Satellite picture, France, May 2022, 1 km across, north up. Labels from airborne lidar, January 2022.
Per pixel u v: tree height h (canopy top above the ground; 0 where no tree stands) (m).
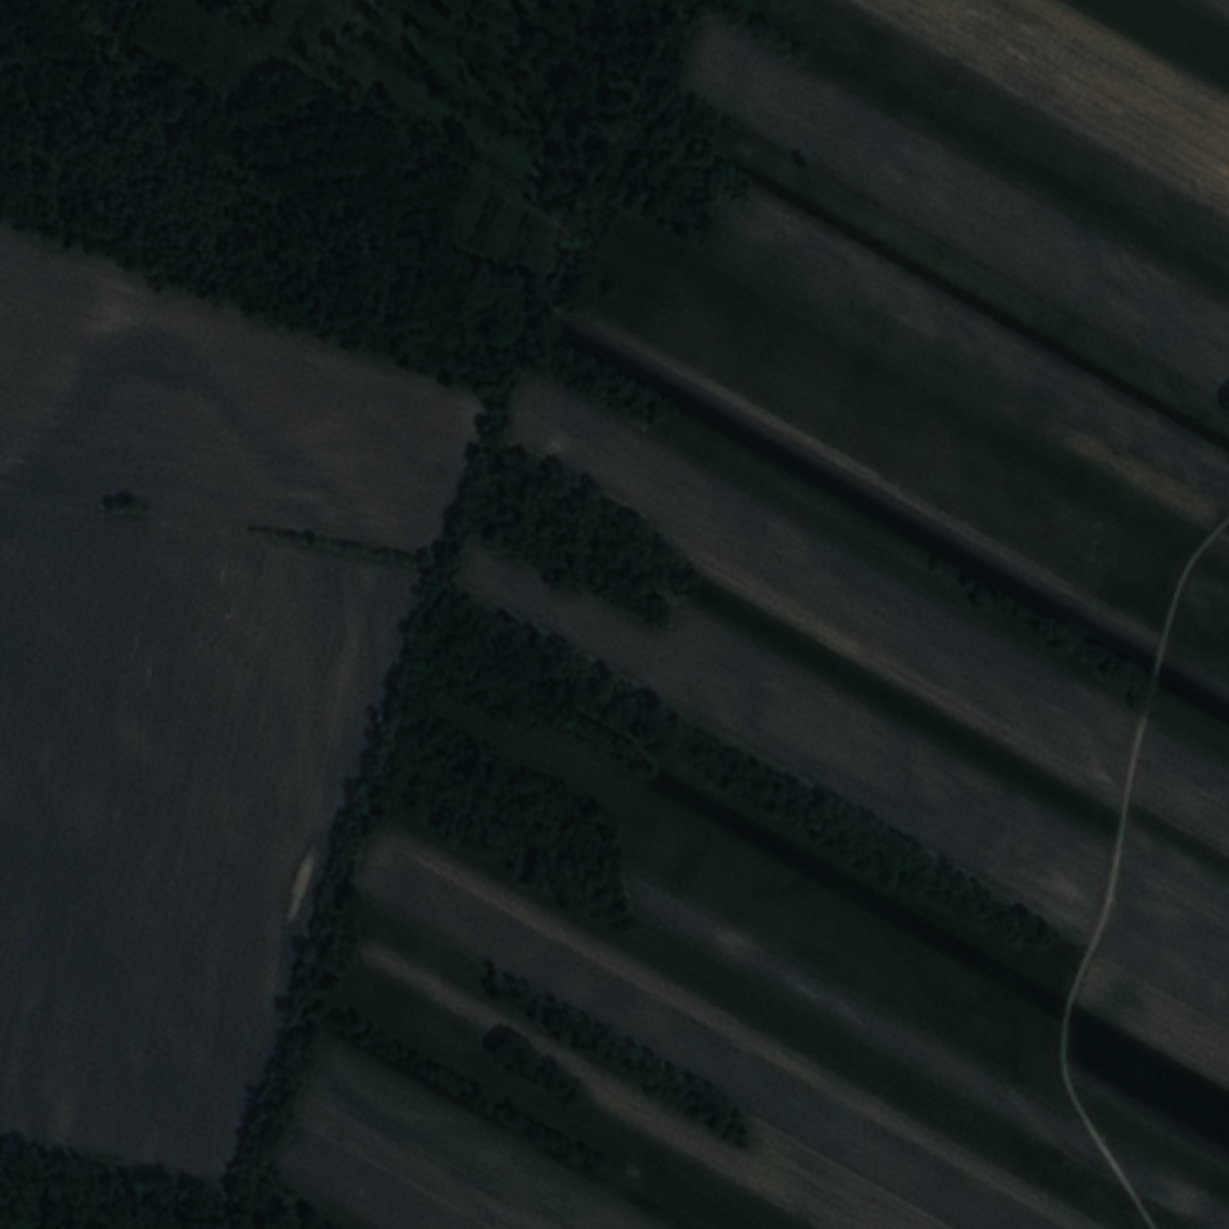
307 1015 9
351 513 0
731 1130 11
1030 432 0
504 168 0
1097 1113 0
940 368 0
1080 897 0
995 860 0
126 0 15
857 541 0
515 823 7
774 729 0
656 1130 0
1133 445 0
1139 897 0
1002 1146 0
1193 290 0
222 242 25
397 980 0
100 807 0
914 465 0
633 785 0
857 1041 0
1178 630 0
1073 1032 0
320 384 0
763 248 0
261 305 10
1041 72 0
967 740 0
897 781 0
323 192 21
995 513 0
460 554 15
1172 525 0
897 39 0
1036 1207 0
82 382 0
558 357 16
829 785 0
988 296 0
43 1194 26
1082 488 0
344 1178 0
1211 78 0
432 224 22
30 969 0
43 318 0
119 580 0
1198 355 0
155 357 0
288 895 0
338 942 18
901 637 0
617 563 6
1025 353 0
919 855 21
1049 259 0
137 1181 23
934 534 0
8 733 0
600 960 0
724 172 17
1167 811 0
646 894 0
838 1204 0
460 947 0
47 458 0
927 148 0
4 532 0
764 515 0
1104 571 0
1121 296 0
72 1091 0
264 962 0
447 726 7
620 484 0
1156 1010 0
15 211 7
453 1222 0
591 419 0
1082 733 0
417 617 7
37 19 24
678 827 0
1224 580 0
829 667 0
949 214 0
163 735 0
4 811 0
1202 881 0
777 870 0
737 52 0
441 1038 0
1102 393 0
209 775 0
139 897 0
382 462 0
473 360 16
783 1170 0
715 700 0
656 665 0
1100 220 0
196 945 0
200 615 0
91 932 0
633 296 0
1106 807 0
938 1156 0
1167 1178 0
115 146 28
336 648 0
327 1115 0
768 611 0
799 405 0
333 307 20
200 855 0
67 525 0
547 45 29
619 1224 0
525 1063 19
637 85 25
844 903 0
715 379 0
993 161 0
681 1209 0
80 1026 0
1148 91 0
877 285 0
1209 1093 0
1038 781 0
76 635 0
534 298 23
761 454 0
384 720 17
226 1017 0
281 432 0
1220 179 0
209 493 0
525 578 0
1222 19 0
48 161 28
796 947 0
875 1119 0
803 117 0
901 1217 0
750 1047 0
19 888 0
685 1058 0
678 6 6
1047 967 0
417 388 0
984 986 0
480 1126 0
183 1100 0
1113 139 0
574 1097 18
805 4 0
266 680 0
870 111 0
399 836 0
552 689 22
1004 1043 0
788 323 0
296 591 0
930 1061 0
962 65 0
